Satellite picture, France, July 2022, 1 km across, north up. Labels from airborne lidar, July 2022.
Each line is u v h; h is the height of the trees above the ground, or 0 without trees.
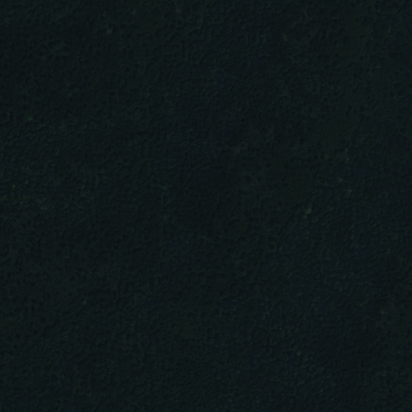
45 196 23
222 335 10
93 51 36
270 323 35
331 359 20
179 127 20
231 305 40
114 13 30
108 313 9
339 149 6
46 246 7
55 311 8
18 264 18
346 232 29
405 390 10
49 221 31
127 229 36
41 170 26
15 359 9
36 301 7
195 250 27
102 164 10
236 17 10
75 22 30
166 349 10
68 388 33
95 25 34
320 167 21
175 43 19
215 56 25
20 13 36
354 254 20
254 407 10
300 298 26
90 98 9
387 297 17
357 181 37
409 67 10
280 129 26
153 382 15
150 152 11
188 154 24
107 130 35
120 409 9
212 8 29
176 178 27
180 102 27
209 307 10
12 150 31
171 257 7
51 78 34
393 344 11
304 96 31
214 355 11
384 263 26
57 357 10
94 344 29
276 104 25
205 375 11
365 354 27
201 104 16
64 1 19
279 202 17
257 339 29
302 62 29
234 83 17
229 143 16
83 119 39
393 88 10
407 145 19
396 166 12
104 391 18
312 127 25
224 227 10
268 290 20
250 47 23
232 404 33
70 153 32
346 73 8
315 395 30
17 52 30
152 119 7
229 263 36
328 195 30
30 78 32
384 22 40
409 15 27
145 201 34
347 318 28
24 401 26
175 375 9
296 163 24
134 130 30
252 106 18
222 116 14
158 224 25
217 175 25
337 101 17
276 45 27
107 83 8
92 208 34
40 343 19
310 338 24
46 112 35
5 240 9
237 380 9
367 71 20
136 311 22
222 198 24
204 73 25
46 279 17
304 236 27
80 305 14
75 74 34
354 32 13
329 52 10
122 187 32
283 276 35
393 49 26
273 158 11
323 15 23
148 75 35
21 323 11
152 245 35
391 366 10
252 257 9
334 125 10
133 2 10
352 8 11
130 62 9
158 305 29
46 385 8
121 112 41
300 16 22
